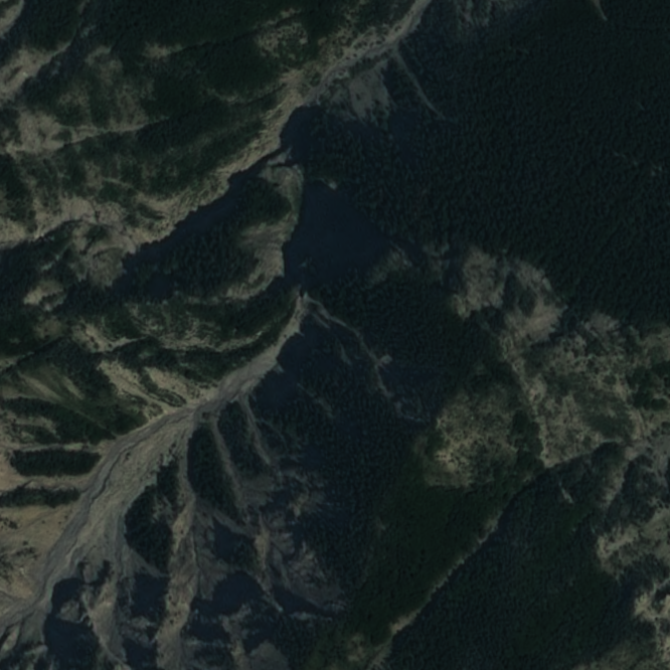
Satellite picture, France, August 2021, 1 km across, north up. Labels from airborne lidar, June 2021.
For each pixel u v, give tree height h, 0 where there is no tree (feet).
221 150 21
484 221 74
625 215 29
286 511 21
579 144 35
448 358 26
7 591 0
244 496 0
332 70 0
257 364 0
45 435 28
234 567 42
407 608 48
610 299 51
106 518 0
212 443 65
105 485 0
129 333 43
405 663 49
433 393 22
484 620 66
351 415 53
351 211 39
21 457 58
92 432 44
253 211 32
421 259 47
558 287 30
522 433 31
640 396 39
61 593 0
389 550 56
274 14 38
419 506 56
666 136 54
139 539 67
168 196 23
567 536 39
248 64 38
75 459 65
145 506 40
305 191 0
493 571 45
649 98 73
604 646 29
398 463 36
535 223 71
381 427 83
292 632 33
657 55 45
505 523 24
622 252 54
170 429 0
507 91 60
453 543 47
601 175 51
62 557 0
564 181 59
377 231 53
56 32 54
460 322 41
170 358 29
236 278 21
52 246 26
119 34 43
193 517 0
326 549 70
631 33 46
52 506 33
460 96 37
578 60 69
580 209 71
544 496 63
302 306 0
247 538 0
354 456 76
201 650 0
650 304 43
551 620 46
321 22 47
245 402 0
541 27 40
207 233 35
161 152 23
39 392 0
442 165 43
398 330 58
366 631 44
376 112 20
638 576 19
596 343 26
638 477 20
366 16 26
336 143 54
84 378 33
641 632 24
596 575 37
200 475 62
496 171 24
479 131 60
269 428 30
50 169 23
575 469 31
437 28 20
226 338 20
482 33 23
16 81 0
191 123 29
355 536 24
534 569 32
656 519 0
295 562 0
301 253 0
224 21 35
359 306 55
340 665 0
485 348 25
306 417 75
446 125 22
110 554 0
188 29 40
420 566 38
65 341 25
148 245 0
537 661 59
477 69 49
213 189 23
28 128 0
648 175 38
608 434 20
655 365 35
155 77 28
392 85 49
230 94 34
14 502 26
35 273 27
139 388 0
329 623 18
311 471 28
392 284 55
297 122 29
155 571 0
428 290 33
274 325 32
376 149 35
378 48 0
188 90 39
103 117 23
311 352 35
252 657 0
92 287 43
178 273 44
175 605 20
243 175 22
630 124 50
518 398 26
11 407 30
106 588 0
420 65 36
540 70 50
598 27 60
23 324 41
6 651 0
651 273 81
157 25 47
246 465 36
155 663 31
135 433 0
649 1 54
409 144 27
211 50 25
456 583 66
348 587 29
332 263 65
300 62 24
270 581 0
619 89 65
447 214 56
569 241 57
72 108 27
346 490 48
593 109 56
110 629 0
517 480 25
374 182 72
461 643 46
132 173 24
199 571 0
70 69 19
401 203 59
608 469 25
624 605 20
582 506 27
